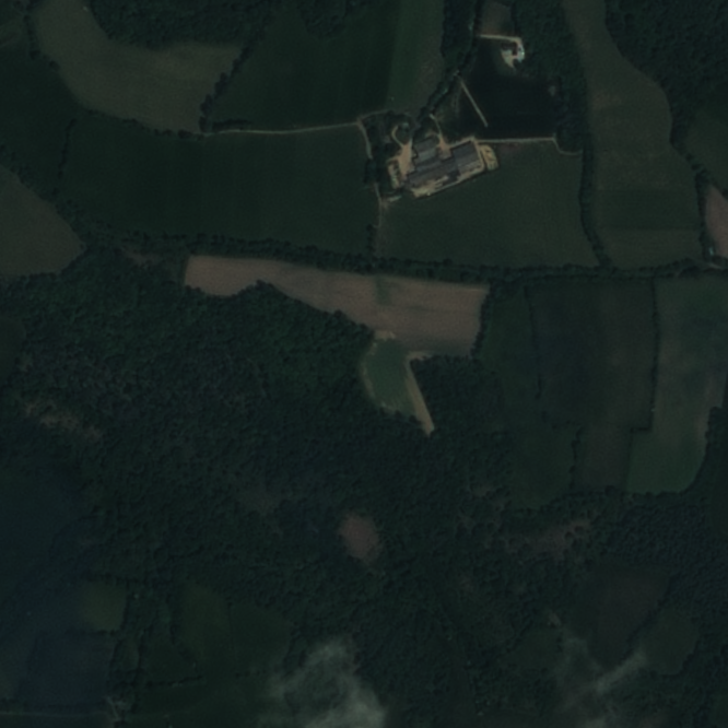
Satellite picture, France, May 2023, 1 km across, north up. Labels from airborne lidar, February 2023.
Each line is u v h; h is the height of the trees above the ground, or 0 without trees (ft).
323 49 0
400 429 55
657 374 24
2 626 31
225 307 47
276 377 52
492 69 0
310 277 0
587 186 31
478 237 0
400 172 0
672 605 38
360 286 0
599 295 0
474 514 46
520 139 0
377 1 44
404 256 0
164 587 83
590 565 53
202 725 0
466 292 0
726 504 0
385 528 38
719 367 0
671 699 67
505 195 0
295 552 48
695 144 0
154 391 67
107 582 57
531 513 39
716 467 31
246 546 56
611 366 0
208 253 44
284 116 0
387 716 0
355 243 0
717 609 51
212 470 38
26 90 0
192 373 72
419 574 56
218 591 43
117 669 19
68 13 0
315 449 40
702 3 47
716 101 0
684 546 52
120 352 41
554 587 41
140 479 46
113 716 0
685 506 38
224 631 0
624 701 55
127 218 0
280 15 0
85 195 0
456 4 111
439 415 33
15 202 0
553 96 0
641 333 0
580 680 0
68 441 21
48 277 32
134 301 36
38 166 0
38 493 0
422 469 50
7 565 0
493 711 0
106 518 28
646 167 0
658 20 55
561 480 0
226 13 65
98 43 0
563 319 0
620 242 0
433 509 53
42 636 31
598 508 28
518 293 21
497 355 0
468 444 45
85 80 0
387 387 0
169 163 0
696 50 46
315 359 56
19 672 0
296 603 64
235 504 32
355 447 36
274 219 0
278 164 0
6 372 0
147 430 32
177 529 36
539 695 20
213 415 28
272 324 58
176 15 59
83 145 0
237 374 51
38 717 0
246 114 0
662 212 0
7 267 0
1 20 0
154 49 49
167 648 0
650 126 0
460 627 35
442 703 49
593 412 0
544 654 0
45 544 0
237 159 0
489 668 33
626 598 0
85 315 56
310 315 37
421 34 0
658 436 0
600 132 0
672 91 49
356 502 52
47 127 0
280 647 0
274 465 29
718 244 0
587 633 0
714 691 54
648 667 0
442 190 0
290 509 36
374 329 0
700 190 49
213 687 0
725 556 61
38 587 36
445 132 0
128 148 0
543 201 0
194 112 0
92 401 57
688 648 0
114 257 56
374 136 42
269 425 53
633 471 0
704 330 0
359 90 0
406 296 0
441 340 0
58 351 81
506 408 0
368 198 0
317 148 0
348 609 21
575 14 0
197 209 0
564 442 0
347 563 53
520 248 0
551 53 52
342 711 55
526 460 0
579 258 0
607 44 0
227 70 0
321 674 67
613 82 0
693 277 46
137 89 0
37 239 0
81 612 0
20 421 48
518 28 55
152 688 39
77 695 0
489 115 0
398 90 0
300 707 64
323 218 0
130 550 35
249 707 0
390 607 58
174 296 51
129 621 38
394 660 42
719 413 38
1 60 0
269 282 0
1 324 0
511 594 52
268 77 0
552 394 0
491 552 31
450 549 61
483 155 0
